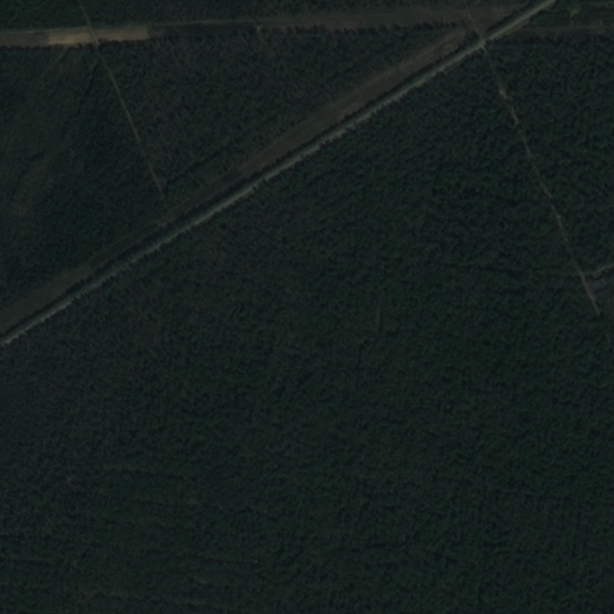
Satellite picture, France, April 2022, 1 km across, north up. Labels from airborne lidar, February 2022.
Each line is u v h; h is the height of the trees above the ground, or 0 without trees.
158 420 17
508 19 7
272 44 15
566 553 19
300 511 15
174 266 17
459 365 20
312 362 18
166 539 17
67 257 17
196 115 18
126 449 19
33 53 10
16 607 17
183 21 9
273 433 16
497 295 18
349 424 15
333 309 17
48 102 8
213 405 16
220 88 18
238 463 18
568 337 9
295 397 14
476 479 15
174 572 18
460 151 19
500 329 23
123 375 13
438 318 21
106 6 10
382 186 18
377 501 19
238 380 21
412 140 16
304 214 17
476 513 18
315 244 17
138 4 10
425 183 21
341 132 0
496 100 17
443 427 16
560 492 15
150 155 15
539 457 15
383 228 14
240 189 14
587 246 25
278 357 17
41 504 15
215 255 15
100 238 12
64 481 13
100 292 16
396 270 16
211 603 16
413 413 16
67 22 8
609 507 15
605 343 12
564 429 20
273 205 14
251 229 17
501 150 21
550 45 15
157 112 12
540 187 23
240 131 13
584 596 17
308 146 7
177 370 16
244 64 15
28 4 15
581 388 14
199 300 18
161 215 9
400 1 9
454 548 16
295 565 19
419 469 18
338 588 18
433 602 18
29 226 8
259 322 16
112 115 11
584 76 18
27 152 7
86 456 8
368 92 0
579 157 20
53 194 10
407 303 15
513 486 13
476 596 16
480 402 16
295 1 15
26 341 15
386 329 15
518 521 19
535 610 18
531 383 22
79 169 9
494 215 21
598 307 9
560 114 20
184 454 16
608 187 11
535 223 17
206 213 15
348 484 15
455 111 15
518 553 17
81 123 11
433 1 14
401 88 9
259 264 16
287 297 20
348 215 17
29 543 19
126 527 18
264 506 16
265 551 15
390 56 15
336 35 7
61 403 6
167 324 15
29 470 12
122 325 15
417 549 18
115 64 22
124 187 15
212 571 17
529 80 10
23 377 8
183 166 14
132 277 16
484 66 13
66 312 11
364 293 18
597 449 17
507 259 13
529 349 20
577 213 8
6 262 16
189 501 16
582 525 17
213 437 15
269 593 18
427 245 15
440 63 9
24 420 7
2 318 0
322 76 16
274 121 16
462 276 16
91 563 18
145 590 16
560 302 15
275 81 14
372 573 17
